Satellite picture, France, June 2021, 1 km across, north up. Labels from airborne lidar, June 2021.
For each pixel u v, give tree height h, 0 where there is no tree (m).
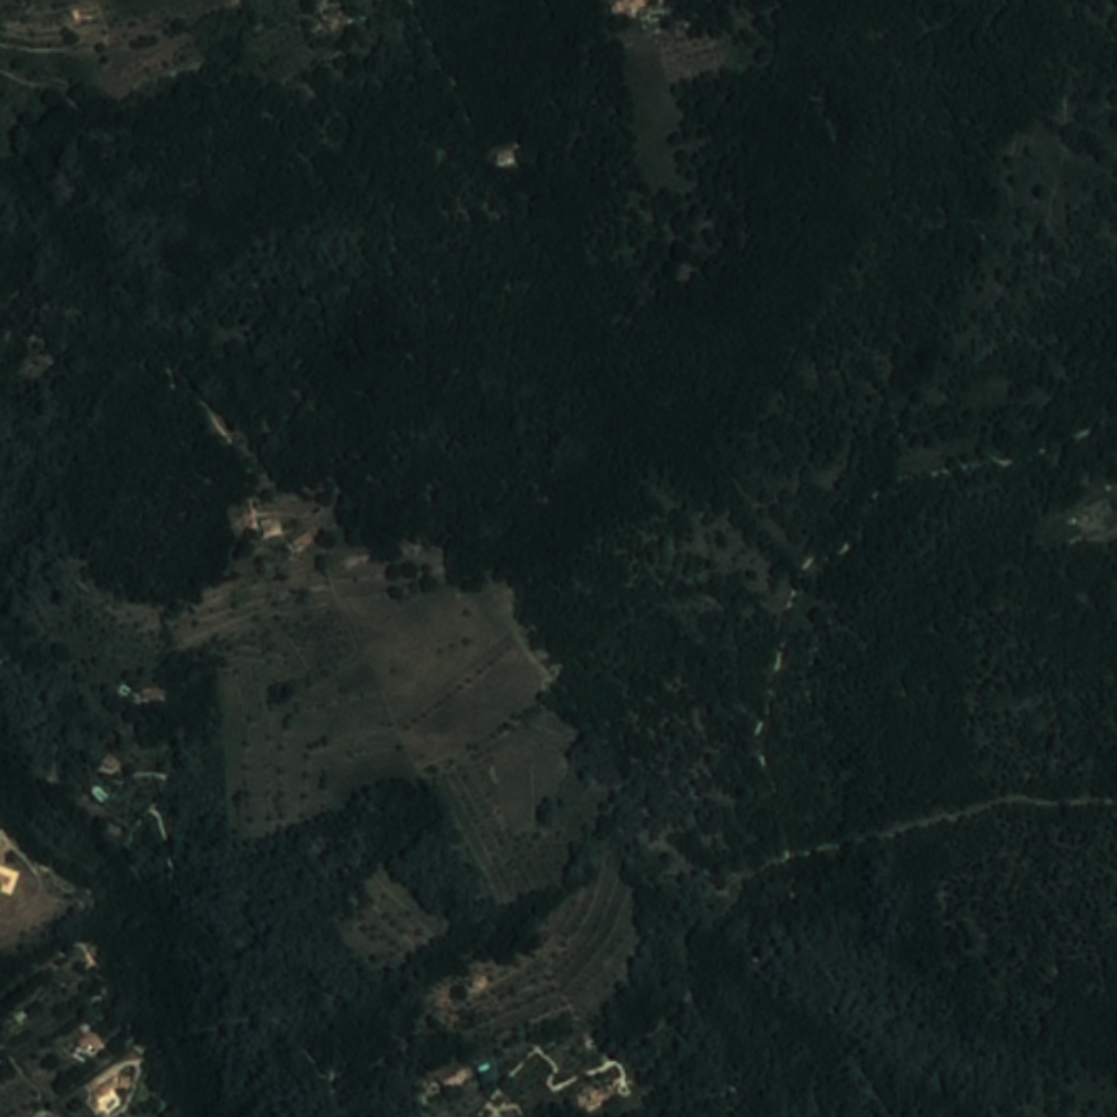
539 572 14
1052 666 11
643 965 18
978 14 12
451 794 0
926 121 9
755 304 17
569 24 14
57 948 12
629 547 10
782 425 14
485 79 17
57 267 16
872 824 13
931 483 14
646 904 15
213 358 13
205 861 20
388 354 13
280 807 7
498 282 12
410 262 12
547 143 11
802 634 12
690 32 11
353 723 0
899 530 14
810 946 19
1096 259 8
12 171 15
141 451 13
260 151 9
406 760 0
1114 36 8
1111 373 13
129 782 8
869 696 13
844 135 10
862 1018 20
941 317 12
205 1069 16
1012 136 10
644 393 15
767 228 13
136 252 21
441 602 0
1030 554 9
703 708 7
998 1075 18
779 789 9
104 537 12
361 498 17
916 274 14
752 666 8
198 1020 15
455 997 13
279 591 0
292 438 11
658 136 0
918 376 14
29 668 16
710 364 13
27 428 20
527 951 13
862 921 7
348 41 11
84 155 14
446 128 14
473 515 12
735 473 13
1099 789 10
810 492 15
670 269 14
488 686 0
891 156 9
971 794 12
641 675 13
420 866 19
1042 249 8
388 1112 21
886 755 13
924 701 11
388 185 13
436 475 16
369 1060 14
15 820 8
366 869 13
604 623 9
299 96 11
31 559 21
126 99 7
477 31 18
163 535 11
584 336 16
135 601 14
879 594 10
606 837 11
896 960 16
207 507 15
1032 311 10
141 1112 7
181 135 11
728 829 18
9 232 19
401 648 0
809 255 14
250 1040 21
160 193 13
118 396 11
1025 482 9
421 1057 13
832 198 13
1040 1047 15
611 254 11
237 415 14
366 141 13
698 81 10
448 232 15
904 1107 10
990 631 8
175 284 15
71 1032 7
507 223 9
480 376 16
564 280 16
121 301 21
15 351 9
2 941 0
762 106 13
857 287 9
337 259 15
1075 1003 10
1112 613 13
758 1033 19
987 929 15
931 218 10
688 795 15
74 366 23
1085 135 13
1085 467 10
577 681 13
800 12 15
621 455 10
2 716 19
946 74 12
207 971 22
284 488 14
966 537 10
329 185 11
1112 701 9
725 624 7
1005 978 19
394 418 14
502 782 0
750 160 16
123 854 11
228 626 0
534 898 12
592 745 19
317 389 15
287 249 11
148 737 12
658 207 11
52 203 22
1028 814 13
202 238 17
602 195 13
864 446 16
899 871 15
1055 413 14
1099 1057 13
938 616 15
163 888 12
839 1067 17
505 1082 14
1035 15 12
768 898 16
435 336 13
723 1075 11
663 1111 10
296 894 20
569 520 14
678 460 12
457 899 21
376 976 17
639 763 8
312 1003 14
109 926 14
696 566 8
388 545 18
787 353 11
